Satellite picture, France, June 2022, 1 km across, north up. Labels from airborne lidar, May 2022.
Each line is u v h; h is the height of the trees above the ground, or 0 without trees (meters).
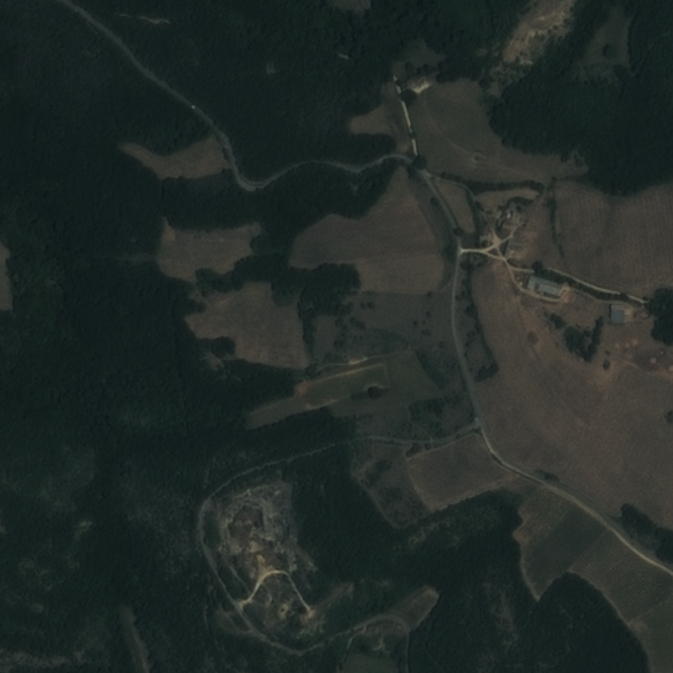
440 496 0
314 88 10
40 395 17
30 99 7
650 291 0
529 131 13
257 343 0
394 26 19
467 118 0
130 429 8
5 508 7
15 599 6
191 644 6
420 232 0
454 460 0
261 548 0
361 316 0
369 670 0
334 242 0
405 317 0
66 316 18
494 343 0
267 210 10
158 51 9
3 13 6
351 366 0
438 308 0
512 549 12
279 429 12
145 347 11
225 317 0
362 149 10
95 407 32
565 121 12
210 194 8
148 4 9
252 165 8
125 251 11
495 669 6
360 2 0
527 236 0
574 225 0
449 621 8
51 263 22
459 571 12
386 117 0
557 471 0
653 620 0
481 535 7
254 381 12
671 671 0
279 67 7
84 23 10
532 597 6
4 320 21
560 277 9
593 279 0
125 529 10
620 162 18
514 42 0
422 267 0
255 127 11
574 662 10
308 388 0
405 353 0
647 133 12
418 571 11
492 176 0
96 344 11
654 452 0
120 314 6
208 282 7
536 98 20
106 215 16
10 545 8
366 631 0
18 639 12
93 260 13
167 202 15
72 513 10
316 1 22
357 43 24
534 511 0
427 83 0
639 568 0
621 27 0
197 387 16
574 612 8
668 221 0
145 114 7
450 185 0
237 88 16
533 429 0
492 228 0
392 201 0
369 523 8
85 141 12
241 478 7
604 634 12
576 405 0
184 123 15
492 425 0
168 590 9
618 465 0
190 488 6
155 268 9
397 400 0
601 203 0
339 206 23
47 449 8
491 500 8
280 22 18
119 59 10
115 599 15
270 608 0
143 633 11
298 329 0
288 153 9
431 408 8
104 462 12
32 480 7
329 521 7
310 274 17
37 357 18
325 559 8
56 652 12
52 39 7
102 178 15
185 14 10
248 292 0
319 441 7
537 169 0
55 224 26
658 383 0
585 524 0
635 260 0
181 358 17
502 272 0
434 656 7
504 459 0
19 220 23
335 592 0
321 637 8
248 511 0
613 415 0
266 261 14
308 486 6
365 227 0
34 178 13
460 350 0
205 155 0
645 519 11
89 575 14
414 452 7
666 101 8
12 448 10
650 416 0
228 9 17
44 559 6
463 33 17
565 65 12
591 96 13
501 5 16
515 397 0
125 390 20
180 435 15
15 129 13
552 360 0
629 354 0
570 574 8
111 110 7
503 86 7
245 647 9
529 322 0
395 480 0
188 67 9
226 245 0
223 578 11
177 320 17
